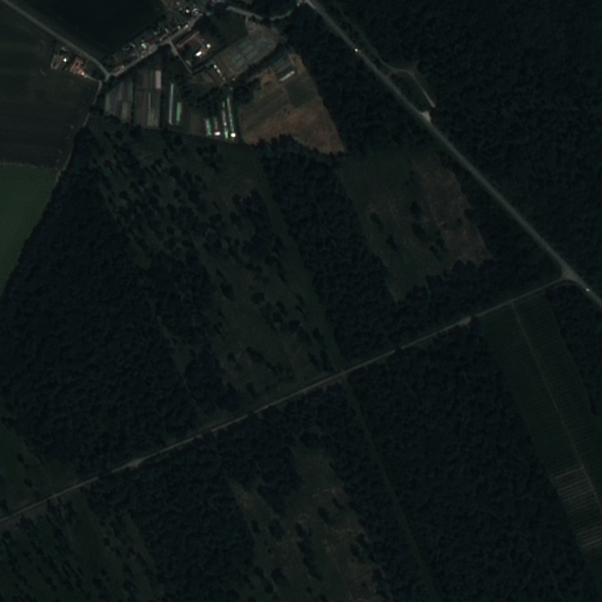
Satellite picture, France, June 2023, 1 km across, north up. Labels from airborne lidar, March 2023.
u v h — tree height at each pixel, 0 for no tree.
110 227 26
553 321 0
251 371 0
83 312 23
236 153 0
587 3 22
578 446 0
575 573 13
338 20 12
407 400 24
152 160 0
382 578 26
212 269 0
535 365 0
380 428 23
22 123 0
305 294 0
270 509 0
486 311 0
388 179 0
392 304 23
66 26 0
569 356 0
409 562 19
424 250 0
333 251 23
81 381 23
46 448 24
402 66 0
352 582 0
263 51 0
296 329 25
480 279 23
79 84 0
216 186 0
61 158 0
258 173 0
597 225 31
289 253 0
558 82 21
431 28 20
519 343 0
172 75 0
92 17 0
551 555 20
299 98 0
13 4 0
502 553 16
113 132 0
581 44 28
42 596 0
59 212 20
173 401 26
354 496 18
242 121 0
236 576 23
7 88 0
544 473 17
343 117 20
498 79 27
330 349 0
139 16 0
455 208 0
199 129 0
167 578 20
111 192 26
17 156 0
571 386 0
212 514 24
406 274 0
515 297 0
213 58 0
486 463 24
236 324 0
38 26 0
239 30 0
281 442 19
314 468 0
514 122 0
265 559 0
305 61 11
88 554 0
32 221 0
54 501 0
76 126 0
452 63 18
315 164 24
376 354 0
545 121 17
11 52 0
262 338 0
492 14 33
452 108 17
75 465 18
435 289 23
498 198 0
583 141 28
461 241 0
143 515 25
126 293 21
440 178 0
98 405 24
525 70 22
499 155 18
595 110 0
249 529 14
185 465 19
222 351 0
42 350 21
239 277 0
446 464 23
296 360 0
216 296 0
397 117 24
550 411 0
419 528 21
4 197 0
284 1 17
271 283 0
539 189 25
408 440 23
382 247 0
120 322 23
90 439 7
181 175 26
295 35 22
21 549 0
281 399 0
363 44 18
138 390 23
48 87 0
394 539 23
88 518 0
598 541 0
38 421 26
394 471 18
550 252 0
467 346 27
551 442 0
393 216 0
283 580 28
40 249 20
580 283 0
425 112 0
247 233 0
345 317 24
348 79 25
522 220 0
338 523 0
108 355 21
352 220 19
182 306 24
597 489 0
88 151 22
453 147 0
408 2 21
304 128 0
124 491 21
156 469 21
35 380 22
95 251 23
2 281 0
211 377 27
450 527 21
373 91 21
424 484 19
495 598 15
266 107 0
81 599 0
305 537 26
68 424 18
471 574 16
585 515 0
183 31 0
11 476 0
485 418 23
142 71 0
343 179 0
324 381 0
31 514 0
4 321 20
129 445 17
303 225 19
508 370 0
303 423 22
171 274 23
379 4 20
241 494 0
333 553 0
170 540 18
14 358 25
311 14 21
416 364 24
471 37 36
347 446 18
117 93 0
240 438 24
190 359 0
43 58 0
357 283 19
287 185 21
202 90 0
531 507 22
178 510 22
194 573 25
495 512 18
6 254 0
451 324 0
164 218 0
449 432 19
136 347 22
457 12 27
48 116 0
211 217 0
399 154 0
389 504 21
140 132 18
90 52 0
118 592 0
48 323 23
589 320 21
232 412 0
